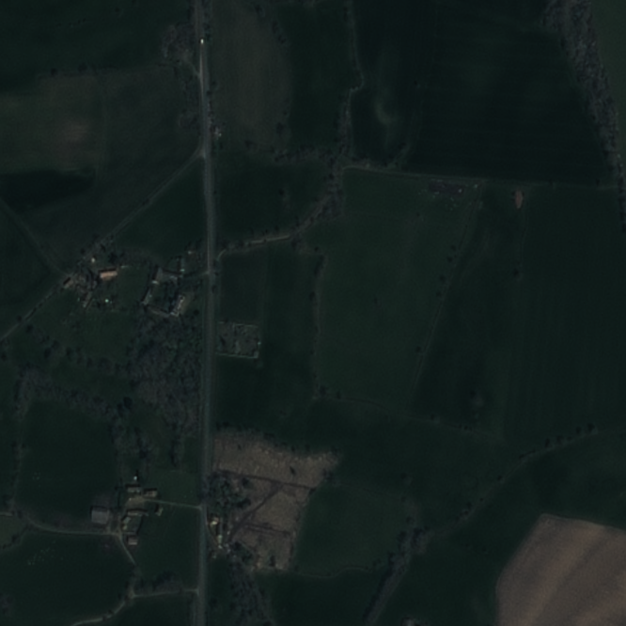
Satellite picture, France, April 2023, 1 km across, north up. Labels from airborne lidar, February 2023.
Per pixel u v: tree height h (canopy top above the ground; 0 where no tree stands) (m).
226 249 18
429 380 0
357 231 0
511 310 0
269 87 0
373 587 0
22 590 0
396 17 0
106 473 0
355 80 0
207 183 0
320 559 0
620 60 0
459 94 0
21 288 0
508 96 0
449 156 0
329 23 0
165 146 0
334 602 0
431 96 0
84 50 0
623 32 0
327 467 23
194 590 0
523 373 0
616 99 0
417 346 0
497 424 0
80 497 0
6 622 0
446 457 0
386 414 0
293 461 35
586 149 0
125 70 0
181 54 0
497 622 0
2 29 0
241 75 0
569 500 0
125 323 0
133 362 16
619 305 0
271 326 0
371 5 0
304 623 0
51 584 0
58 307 0
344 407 0
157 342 27
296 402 0
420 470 0
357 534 0
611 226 0
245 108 0
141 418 0
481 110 0
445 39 0
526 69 0
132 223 0
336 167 19
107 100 0
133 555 0
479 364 0
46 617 0
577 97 0
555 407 0
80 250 0
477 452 0
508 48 0
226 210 0
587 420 0
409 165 0
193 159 0
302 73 0
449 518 0
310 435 0
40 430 0
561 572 0
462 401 0
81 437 0
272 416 0
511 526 0
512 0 0
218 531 0
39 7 0
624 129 0
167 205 0
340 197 10
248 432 18
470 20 0
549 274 0
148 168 0
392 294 0
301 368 0
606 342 0
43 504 0
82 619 0
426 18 0
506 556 0
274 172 0
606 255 0
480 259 0
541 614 0
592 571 0
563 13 21
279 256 0
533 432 0
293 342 0
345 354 0
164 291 6
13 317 0
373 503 0
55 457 0
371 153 0
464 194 0
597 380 0
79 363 14
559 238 0
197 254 7
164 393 28
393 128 0
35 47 0
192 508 0
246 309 0
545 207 0
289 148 0
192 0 14
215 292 12
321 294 0
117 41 0
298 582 0
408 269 0
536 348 0
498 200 0
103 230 0
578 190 0
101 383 0
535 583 0
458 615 0
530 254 0
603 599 0
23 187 0
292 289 0
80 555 0
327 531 0
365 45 0
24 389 20
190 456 0
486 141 0
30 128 0
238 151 0
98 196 0
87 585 0
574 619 0
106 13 0
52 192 0
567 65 0
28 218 0
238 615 19
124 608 0
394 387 0
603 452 0
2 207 0
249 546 29
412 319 0
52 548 0
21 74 0
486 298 0
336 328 0
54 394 19
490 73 0
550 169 0
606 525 0
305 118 0
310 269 0
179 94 0
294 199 0
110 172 0
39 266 0
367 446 0
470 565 0
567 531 0
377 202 0
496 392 0
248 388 0
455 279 0
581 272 0
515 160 0
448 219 0
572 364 0
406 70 0
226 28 0
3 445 0
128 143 0
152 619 0
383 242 0
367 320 0
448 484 0
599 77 12
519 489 0
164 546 0
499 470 0
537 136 0
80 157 0
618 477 0
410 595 0
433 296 0
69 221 0
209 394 0
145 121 0
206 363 0
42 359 0
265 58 0
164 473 0
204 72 0
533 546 0
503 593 0
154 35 0
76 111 0
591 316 0
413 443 0
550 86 0
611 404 0
